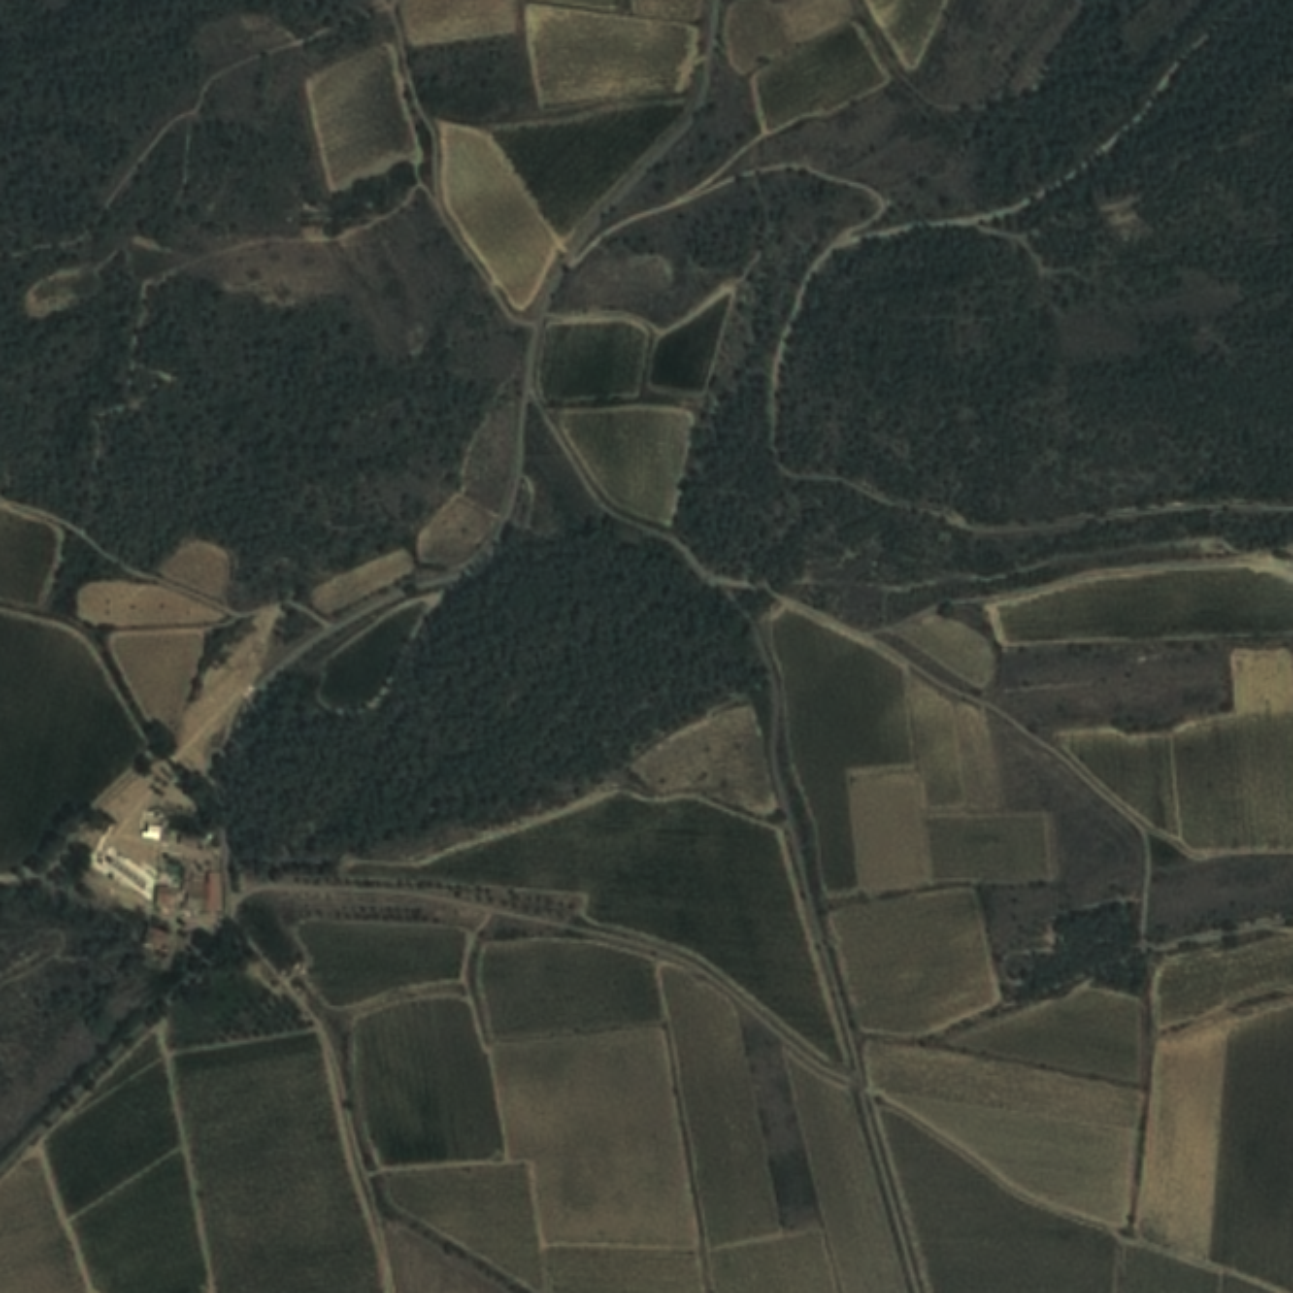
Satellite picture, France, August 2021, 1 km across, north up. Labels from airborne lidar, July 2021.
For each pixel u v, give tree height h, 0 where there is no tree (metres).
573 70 0
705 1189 0
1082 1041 0
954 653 0
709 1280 0
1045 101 11
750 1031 0
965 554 5
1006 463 8
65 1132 0
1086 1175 0
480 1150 0
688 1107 0
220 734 0
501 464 0
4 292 8
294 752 12
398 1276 0
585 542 11
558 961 0
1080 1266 0
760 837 0
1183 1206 0
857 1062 0
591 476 0
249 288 0
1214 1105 0
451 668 10
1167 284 7
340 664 0
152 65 6
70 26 10
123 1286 0
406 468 8
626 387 0
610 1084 0
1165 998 0
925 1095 0
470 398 10
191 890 0
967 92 0
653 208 0
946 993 0
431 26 0
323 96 0
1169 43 12
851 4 0
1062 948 9
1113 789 0
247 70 0
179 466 7
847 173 0
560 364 0
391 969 0
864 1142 0
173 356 11
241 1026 6
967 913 0
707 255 7
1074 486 0
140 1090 0
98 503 6
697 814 0
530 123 0
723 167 0
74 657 0
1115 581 0
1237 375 10
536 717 9
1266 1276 0
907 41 0
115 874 0
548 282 0
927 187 8
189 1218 0
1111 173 10
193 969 13
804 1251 0
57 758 0
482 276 0
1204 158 10
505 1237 0
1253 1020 0
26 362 10
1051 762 0
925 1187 0
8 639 0
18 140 9
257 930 0
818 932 0
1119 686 0
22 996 0
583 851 0
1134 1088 0
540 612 9
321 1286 0
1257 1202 0
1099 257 6
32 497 8
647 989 0
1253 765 0
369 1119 0
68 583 12
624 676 11
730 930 0
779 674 0
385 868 0
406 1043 0
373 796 12
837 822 0
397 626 0
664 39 0
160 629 0
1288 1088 0
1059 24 0
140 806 0
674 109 0
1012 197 8
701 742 0
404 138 0
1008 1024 0
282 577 7
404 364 7
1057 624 0
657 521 0
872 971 0
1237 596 0
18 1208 0
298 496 8
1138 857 0
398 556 0
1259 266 10
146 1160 0
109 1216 0
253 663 0
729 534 11
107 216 12
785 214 7
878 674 0
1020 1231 0
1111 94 12
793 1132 0
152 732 16
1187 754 0
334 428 9
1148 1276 0
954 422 9
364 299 0
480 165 0
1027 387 6
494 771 9
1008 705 0
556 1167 0
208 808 13
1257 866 0
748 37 0
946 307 6
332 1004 0
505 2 0
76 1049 0
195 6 9
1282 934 0
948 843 0
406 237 0
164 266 0
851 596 0
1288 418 10
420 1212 0
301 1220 0
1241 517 10
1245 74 7
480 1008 0
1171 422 7
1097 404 9
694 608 17
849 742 0
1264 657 0
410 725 10
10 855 0
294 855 15
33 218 6
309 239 0
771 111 0
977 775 0
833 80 0
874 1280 0
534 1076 0
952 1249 0
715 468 10
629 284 0
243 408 8
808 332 7
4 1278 0
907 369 10
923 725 0
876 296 10
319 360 7
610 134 0
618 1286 0
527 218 0
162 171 7
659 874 0
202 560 0
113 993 23
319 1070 0
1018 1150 0
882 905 0
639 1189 0
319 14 12
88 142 10
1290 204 9
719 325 0
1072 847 0
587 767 11
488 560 7
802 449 8
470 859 0
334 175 0
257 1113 0
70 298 0
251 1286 0
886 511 8
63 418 9
